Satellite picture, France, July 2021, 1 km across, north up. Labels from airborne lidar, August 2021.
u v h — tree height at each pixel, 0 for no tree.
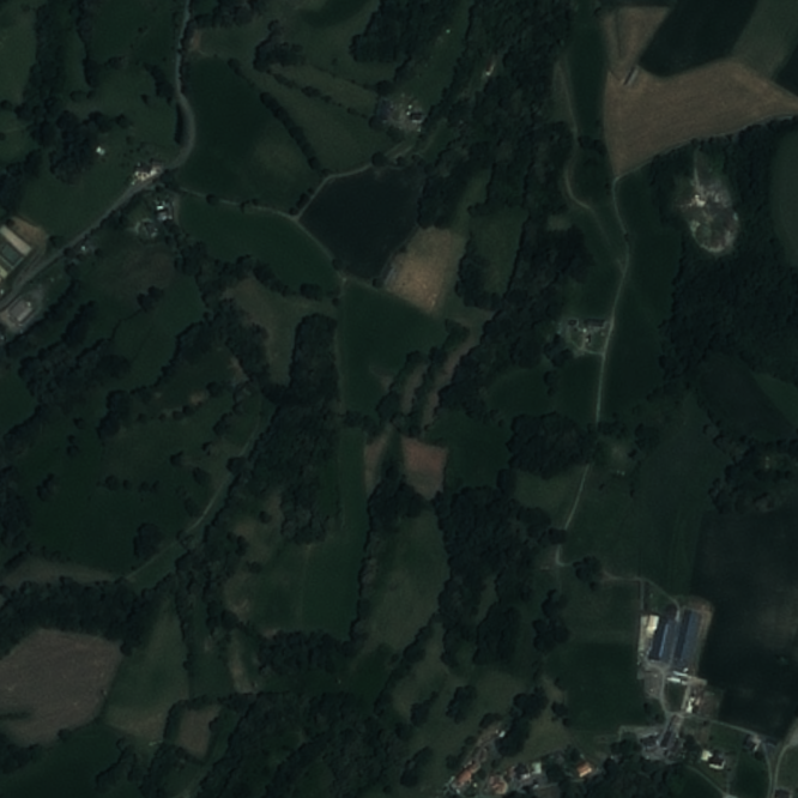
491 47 23
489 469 0
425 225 19
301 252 0
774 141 25
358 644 18
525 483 0
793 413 0
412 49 29
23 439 26
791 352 7
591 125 0
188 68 12
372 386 0
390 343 0
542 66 26
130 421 17
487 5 24
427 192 15
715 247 0
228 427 13
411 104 0
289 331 0
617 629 0
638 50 0
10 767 24
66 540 0
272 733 28
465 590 26
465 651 0
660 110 0
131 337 0
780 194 0
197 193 0
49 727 0
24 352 13
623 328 0
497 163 19
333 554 0
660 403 0
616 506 0
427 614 0
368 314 0
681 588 0
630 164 0
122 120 16
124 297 0
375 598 13
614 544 0
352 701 20
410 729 18
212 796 6
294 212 12
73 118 19
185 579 17
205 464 0
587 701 0
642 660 0
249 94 0
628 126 0
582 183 0
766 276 14
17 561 14
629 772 14
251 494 20
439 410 14
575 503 0
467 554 28
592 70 0
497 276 0
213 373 0
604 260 0
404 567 0
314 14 0
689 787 0
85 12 22
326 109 0
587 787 9
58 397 22
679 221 7
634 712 0
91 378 24
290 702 19
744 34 0
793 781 0
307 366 25
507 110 17
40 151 11
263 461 23
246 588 0
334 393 18
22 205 28
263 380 22
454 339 12
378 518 22
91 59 12
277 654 23
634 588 0
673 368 22
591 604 0
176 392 0
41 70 8
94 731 0
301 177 0
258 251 0
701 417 0
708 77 0
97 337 0
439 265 0
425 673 0
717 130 0
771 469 5
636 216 0
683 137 0
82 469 0
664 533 0
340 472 0
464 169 25
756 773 0
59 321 10
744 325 9
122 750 12
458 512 26
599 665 0
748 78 0
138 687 0
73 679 0
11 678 0
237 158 0
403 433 17
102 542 0
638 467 8
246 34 0
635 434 11
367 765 20
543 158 21
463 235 0
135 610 14
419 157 9
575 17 23
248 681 0
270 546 0
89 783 0
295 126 10
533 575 8
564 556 0
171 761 18
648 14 0
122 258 0
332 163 0
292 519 16
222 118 0
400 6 20
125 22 0
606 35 0
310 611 0
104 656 0
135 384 0
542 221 13
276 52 20
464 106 15
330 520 21
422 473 0
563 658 0
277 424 19
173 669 0
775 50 0
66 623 17
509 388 0
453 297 0
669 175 10
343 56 0
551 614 22
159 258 0
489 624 16
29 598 19
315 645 19
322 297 17
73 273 16
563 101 0
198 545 20
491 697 0
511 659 24
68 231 0
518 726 26
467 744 8
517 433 20
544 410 0
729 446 18
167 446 0
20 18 0
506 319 21
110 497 0
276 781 13
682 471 0
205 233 0
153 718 0
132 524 0
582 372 0
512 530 23
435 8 16
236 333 22
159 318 0
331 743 15
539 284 20
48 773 0
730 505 21
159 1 0
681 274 11
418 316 0
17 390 0
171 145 0
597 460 7
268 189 0
